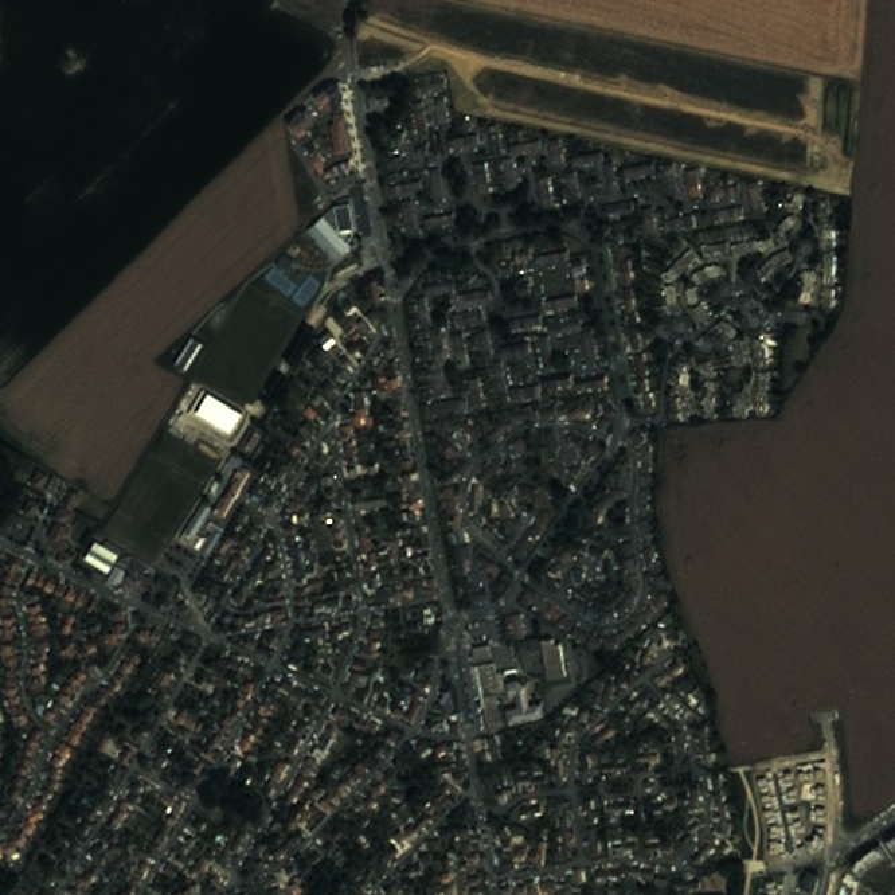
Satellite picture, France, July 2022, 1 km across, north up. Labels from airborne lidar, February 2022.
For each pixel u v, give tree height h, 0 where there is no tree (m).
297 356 9
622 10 0
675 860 0
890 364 0
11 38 0
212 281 0
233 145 0
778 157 0
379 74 0
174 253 0
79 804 10
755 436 0
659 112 0
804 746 0
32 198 0
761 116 0
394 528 7
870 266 0
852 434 0
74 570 7
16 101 0
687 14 0
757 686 0
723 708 0
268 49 0
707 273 0
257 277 0
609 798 0
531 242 11
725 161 0
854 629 0
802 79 0
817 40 0
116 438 0
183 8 0
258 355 0
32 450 0
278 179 0
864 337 0
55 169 0
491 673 0
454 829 7
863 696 0
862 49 0
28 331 0
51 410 0
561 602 0
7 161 0
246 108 0
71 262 0
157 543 0
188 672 0
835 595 0
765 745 0
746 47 0
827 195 7
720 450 0
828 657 0
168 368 0
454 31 0
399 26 0
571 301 0
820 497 0
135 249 0
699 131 0
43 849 8
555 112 0
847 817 0
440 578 0
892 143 0
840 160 0
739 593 0
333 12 0
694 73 0
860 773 0
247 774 10
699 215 8
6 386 0
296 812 9
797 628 0
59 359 0
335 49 0
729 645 0
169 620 0
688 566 0
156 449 0
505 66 0
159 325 0
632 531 0
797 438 0
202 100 0
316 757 0
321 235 0
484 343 0
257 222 0
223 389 0
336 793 0
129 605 0
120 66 0
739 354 0
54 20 0
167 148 0
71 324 0
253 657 0
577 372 0
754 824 0
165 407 0
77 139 0
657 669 0
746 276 13
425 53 0
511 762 8
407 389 0
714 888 0
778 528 0
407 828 0
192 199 0
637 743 7
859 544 0
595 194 0
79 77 0
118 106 0
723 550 0
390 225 0
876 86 0
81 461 0
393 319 0
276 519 0
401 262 10
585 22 0
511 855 0
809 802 0
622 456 10
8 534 0
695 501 0
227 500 0
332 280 0
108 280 0
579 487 0
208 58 0
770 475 0
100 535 0
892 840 0
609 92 0
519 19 0
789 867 0
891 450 0
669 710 0
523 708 0
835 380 0
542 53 0
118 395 0
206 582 7
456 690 0
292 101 0
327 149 0
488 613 0
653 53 0
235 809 14
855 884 0
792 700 0
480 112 0
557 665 0
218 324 0
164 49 0
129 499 0
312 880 8
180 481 0
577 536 0
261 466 6
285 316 0
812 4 0
